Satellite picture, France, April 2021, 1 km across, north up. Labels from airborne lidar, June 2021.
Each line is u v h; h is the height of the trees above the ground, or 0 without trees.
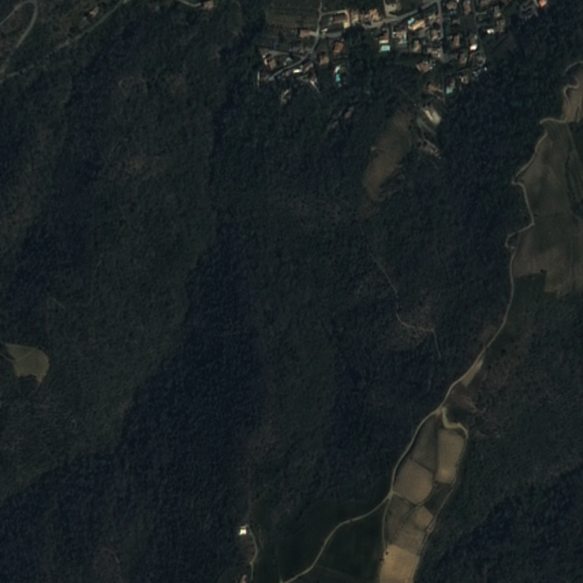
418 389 8
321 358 9
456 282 7
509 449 7
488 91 17
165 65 13
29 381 8
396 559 0
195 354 6
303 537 0
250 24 20
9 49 10
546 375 7
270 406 6
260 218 7
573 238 0
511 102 13
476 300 8
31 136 8
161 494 19
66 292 10
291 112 6
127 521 7
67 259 13
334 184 9
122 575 7
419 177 15
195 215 16
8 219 8
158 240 8
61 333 7
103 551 6
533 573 16
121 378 8
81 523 6
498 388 9
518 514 14
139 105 10
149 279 6
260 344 6
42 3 12
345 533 0
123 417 22
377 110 6
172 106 21
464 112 12
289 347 11
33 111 19
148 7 20
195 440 7
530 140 13
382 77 13
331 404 10
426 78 12
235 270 8
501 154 14
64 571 9
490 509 12
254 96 15
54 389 8
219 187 9
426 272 10
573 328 8
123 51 16
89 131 12
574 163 0
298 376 6
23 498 10
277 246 19
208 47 13
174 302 12
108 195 7
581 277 0
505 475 8
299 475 7
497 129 13
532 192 0
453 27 11
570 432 19
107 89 10
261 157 7
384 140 0
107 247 8
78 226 9
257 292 9
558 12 9
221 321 7
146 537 7
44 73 22
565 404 7
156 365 12
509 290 11
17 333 10
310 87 13
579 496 9
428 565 10
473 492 8
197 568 6
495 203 10
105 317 7
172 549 6
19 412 9
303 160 8
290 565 0
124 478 13
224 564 7
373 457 8
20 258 17
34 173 10
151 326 8
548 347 9
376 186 0
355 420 9
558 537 11
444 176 10
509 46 0
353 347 15
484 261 10
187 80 9
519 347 11
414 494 0
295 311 11
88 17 14
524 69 22
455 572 8
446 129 8
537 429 15
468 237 14
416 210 15
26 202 12
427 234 9
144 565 9
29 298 12
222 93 26
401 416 8
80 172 7
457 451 0
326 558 0
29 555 9
